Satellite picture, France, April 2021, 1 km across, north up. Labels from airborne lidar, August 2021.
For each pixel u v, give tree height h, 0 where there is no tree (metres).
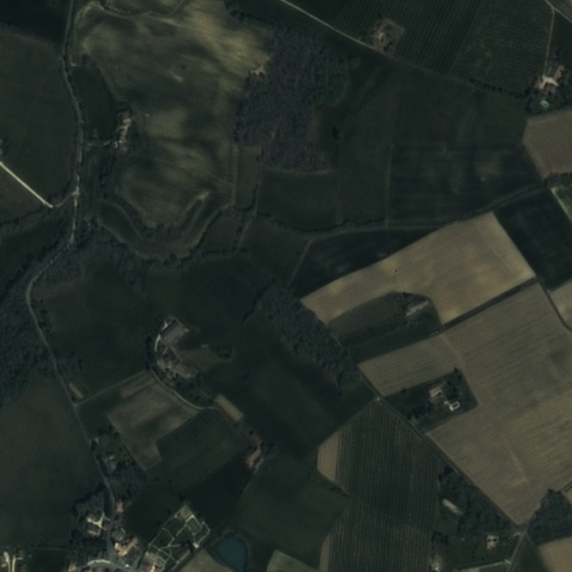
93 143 12
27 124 0
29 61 0
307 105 14
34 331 15
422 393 0
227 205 0
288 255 0
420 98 0
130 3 0
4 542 0
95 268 0
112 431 10
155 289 0
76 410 0
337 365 21
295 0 0
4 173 0
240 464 0
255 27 20
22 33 12
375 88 0
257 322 0
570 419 0
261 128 21
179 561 9
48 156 0
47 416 0
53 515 0
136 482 13
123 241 0
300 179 0
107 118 0
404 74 0
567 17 0
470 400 10
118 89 0
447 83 0
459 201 0
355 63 15
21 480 0
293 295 16
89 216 0
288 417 0
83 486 0
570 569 0
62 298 0
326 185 0
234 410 0
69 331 0
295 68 18
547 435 0
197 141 0
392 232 0
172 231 14
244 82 0
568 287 0
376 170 0
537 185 0
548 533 11
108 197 9
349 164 0
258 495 0
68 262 16
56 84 0
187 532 0
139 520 0
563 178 11
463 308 0
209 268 0
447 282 0
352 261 0
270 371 0
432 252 0
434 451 0
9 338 19
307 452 0
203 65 0
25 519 0
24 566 0
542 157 0
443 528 0
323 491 0
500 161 0
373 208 0
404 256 0
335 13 0
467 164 0
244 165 0
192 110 0
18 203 0
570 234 0
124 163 0
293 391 0
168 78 0
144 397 0
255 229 0
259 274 0
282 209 0
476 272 0
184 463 0
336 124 0
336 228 10
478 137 0
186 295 0
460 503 14
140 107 0
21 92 0
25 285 12
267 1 0
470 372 0
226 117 0
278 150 19
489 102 0
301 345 19
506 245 0
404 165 0
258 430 0
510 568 0
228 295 0
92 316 0
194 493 0
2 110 0
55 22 0
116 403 0
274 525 0
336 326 0
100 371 0
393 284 0
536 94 12
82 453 0
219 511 0
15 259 0
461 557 0
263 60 0
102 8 0
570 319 0
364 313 0
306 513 0
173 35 0
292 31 15
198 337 0
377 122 0
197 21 0
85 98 0
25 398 0
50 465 0
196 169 0
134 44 0
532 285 0
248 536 0
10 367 21
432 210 0
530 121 0
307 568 0
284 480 0
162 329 9
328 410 0
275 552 0
